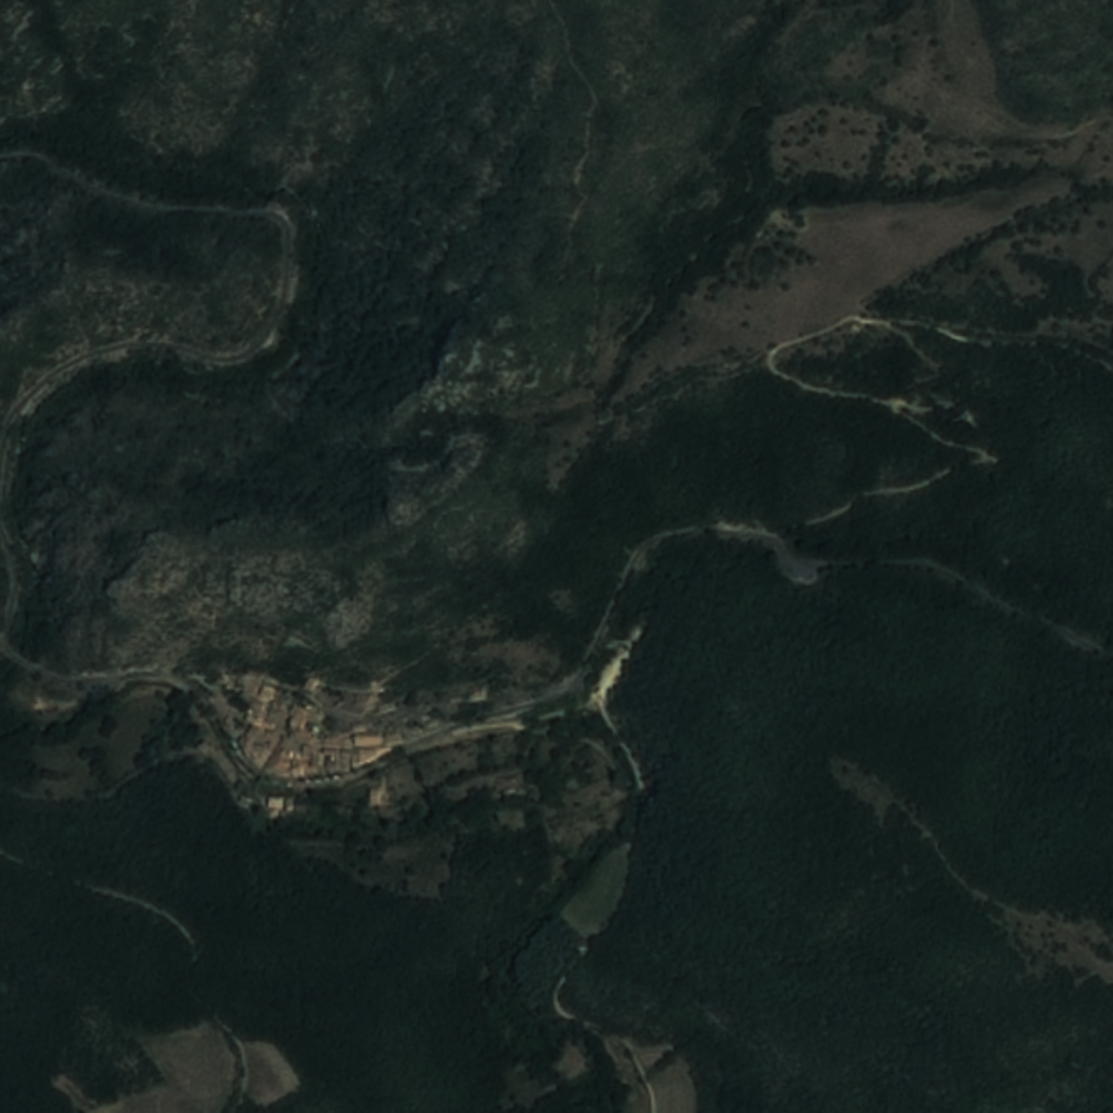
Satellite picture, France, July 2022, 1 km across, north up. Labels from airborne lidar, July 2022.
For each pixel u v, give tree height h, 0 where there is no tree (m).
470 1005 16
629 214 6
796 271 0
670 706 8
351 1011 8
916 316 6
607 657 9
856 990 7
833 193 11
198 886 10
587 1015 7
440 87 8
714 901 8
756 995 7
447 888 12
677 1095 0
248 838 13
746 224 12
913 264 0
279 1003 10
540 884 12
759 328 0
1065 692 8
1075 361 10
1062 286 8
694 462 11
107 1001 8
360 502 6
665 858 6
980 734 11
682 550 11
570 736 6
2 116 12
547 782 11
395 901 13
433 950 8
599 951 13
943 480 10
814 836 6
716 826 6
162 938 7
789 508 7
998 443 9
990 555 13
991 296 7
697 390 6
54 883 8
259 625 7
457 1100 13
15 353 8
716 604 9
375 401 6
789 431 13
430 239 6
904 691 7
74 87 11
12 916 7
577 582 12
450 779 11
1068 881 11
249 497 9
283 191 11
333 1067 9
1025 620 12
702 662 6
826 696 9
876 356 7
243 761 14
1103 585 10
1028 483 9
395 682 7
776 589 16
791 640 8
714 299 6
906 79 0
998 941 6
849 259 0
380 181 7
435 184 8
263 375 12
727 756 6
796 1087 6
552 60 0
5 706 16
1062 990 6
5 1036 9
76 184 11
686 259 11
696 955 10
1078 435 8
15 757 8
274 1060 0
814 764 11
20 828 10
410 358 8
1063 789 12
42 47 6
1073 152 0
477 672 8
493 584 6
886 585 12
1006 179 8
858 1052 6
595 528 14
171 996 15
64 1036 7
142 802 6
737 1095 10
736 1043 9
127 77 7
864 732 8
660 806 7
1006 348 10
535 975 17
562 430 0
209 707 11
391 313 8
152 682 0
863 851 9
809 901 11
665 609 9
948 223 0
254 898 12
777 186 6
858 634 11
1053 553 17
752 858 8
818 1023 6
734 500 7
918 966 7
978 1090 9
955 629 9
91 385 6
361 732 0
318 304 8
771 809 7
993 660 9
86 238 7
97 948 7
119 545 8
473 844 12
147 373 9
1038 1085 7
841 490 7
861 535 16
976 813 11
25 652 7
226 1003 9
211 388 10
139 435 6
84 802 8
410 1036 10
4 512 7
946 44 0
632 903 9
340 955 9
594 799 0
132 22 7
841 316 0
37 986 6
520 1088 0
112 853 7
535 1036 6
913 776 9
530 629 11
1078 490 11
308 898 11
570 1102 15
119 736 0
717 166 6
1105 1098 7
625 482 15
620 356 5
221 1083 0
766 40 10
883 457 12
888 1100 10
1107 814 9
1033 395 12
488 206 8
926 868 7
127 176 7
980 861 13
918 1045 6
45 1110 7
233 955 10
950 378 7
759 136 9
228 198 8
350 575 7
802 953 11
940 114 0
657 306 9
